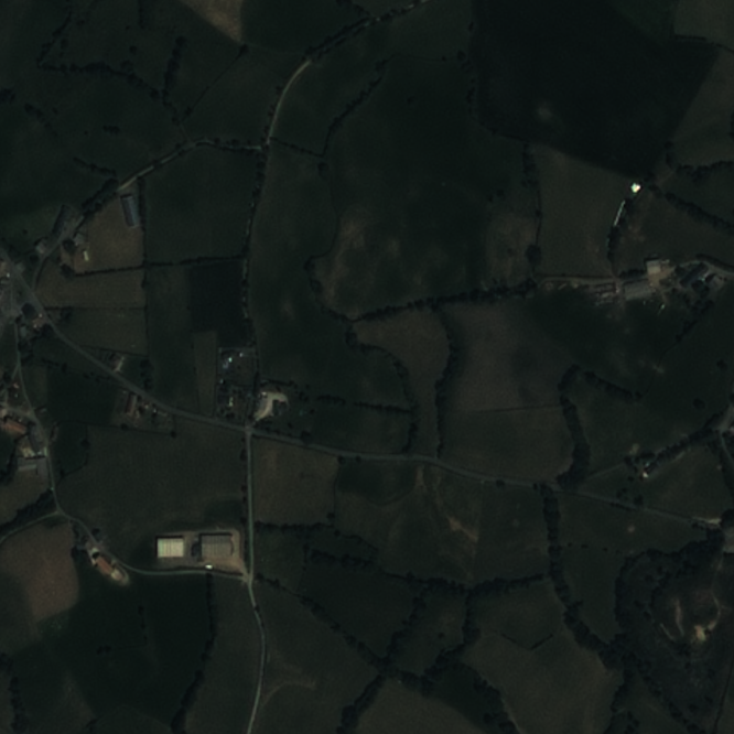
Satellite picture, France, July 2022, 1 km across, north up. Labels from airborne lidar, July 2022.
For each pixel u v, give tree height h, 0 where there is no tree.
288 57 0
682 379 0
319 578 0
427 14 0
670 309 0
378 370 0
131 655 0
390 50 0
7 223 0
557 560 12
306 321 0
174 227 0
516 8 0
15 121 0
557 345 0
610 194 0
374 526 0
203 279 0
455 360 14
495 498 0
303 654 0
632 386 0
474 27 7
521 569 0
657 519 0
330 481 0
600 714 0
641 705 0
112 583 0
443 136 0
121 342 0
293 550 0
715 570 0
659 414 0
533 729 0
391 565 0
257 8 0
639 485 0
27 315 16
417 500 0
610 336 0
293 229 0
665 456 11
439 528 0
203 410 0
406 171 0
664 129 0
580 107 0
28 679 0
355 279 0
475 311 0
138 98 0
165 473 0
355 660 0
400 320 0
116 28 0
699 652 0
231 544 0
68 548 0
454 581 0
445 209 0
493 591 22
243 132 0
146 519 0
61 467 0
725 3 0
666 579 12
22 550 0
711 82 0
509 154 0
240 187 0
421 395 0
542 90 0
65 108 0
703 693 0
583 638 19
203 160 0
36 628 0
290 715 0
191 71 0
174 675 0
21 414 0
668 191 0
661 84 0
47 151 0
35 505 6
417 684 20
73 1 9
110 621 0
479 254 0
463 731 0
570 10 0
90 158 0
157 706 0
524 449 0
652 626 0
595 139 0
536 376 0
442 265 0
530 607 0
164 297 0
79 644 0
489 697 22
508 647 0
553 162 0
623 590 21
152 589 0
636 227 0
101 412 0
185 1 0
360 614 0
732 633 0
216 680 0
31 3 0
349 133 0
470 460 0
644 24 0
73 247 12
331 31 0
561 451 0
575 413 16
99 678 0
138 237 0
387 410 10
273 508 0
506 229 0
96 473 0
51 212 0
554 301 0
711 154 0
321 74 0
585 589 0
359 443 0
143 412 11
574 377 15
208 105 0
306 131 0
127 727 0
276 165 0
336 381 0
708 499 0
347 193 0
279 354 0
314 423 0
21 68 0
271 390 0
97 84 0
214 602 11
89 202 10
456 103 0
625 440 0
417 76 0
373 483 0
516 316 0
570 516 0
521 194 0
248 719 0
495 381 0
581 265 0
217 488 0
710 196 0
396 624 0
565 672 0
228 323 0
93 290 0
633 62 0
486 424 0
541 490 11
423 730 0
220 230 0
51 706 0
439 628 0
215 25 0
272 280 0
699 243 0
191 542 0
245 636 0
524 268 0
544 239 0
